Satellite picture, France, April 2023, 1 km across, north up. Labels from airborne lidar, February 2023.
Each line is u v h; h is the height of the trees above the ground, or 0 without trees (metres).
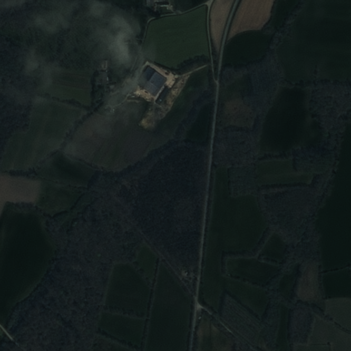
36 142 0
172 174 22
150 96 0
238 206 0
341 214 0
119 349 0
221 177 0
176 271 22
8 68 14
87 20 20
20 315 17
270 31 14
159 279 0
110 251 17
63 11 24
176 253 17
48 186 0
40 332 24
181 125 12
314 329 0
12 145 0
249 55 0
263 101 17
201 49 0
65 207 0
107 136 0
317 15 0
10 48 26
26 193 0
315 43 0
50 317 26
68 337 24
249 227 0
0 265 0
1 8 25
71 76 0
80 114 0
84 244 17
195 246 18
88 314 21
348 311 0
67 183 0
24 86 25
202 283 7
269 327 11
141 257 0
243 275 0
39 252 0
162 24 0
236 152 15
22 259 0
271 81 21
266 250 0
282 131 0
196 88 0
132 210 22
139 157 0
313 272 0
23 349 20
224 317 27
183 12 0
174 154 21
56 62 15
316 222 0
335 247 0
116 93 0
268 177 0
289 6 0
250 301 0
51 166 0
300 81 0
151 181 19
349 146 0
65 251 18
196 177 15
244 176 10
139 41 15
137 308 0
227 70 15
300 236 14
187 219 15
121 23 18
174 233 18
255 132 18
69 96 0
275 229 15
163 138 0
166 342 0
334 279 0
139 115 0
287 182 0
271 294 15
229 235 0
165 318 0
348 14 0
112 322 0
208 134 8
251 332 29
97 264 17
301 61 0
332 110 20
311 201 14
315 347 0
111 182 24
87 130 0
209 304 0
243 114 0
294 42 0
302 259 15
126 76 17
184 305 0
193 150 15
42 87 0
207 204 14
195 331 11
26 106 16
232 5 0
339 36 0
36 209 12
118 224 7
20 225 0
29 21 19
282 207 14
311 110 8
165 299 0
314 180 13
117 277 0
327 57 0
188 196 11
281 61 0
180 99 0
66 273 27
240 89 0
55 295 19
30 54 14
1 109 21
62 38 18
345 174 0
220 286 0
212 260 0
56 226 21
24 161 0
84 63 18
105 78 0
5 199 0
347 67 0
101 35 20
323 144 22
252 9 0
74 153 0
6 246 0
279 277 9
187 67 25
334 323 7
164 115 0
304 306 16
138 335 0
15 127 26
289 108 0
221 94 0
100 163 0
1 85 15
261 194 13
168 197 18
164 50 0
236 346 15
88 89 0
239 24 0
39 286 11
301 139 0
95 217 18
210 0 0
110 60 8
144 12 17
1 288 0
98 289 21
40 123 0
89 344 18
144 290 0
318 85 18
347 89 20
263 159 7
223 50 0
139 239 14
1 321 0
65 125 0
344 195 0
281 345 0
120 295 0
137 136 0
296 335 19
